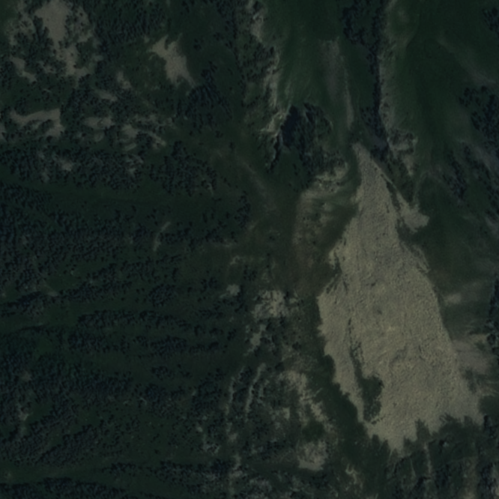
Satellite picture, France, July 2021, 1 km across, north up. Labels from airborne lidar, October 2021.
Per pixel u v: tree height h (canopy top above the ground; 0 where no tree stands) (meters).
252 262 0
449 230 0
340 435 0
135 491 0
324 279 0
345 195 0
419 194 0
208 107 8
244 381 6
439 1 0
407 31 0
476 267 0
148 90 0
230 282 0
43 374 9
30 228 13
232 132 0
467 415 0
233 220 0
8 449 11
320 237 0
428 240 0
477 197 0
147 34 9
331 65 0
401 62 0
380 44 10
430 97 0
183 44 0
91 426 10
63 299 9
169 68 0
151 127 10
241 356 0
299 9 0
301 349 8
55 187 0
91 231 13
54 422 15
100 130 0
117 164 7
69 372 7
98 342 11
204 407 8
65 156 14
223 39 11
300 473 0
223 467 8
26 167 14
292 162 0
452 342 0
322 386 0
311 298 0
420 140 0
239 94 0
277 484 0
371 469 0
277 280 0
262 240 0
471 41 0
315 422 0
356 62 0
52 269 16
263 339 6
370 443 0
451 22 0
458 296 0
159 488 0
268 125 6
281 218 0
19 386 12
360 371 0
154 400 10
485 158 0
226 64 0
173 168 8
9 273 11
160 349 11
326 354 0
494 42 0
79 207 0
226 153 0
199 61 0
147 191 0
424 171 0
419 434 0
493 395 0
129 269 9
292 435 0
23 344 8
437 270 0
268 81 0
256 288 0
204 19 0
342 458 0
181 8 0
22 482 0
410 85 0
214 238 7
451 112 0
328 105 0
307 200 0
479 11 0
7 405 14
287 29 0
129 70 6
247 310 8
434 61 0
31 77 0
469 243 0
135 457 0
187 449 0
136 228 0
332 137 0
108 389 14
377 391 0
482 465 0
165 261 10
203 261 0
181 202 0
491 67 0
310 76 0
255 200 0
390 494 0
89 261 16
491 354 0
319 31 0
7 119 15
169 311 0
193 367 0
